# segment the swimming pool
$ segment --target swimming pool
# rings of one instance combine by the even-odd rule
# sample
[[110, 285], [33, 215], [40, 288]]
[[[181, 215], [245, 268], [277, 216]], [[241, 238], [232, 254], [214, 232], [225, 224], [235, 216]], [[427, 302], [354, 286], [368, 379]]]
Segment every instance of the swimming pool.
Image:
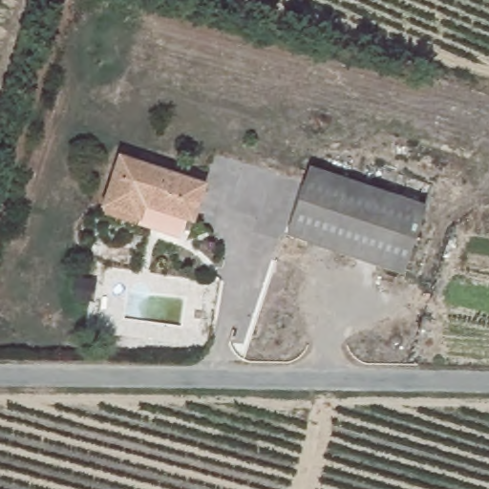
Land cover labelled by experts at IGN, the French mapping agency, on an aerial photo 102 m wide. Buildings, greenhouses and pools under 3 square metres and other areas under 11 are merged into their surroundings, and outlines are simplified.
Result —
[[180, 325], [180, 300], [151, 296], [145, 300], [145, 309], [141, 311], [145, 315], [145, 321]]

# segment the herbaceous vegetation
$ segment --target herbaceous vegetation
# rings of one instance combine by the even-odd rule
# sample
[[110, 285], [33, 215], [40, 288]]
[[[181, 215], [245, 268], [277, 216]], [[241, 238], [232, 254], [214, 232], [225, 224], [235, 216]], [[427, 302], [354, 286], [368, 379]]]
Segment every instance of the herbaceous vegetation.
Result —
[[478, 313], [489, 315], [489, 287], [464, 287], [449, 281], [443, 294], [447, 306], [472, 308]]
[[309, 55], [288, 52], [279, 46], [256, 48], [244, 42], [237, 34], [229, 34], [210, 27], [193, 27], [191, 21], [178, 21], [160, 17], [155, 13], [145, 13], [141, 17], [141, 29], [134, 36], [130, 63], [124, 67], [122, 76], [115, 84], [96, 86], [92, 80], [86, 78], [78, 82], [74, 74], [73, 59], [63, 55], [61, 67], [65, 71], [65, 80], [55, 96], [52, 109], [46, 113], [44, 138], [34, 149], [29, 164], [32, 176], [25, 187], [25, 197], [31, 201], [31, 212], [25, 223], [25, 233], [10, 241], [4, 248], [4, 262], [0, 266], [0, 344], [63, 346], [73, 336], [71, 329], [74, 319], [61, 313], [61, 304], [57, 296], [61, 279], [59, 271], [63, 252], [74, 244], [74, 220], [84, 222], [84, 216], [90, 208], [101, 208], [120, 155], [145, 160], [162, 168], [174, 170], [183, 176], [202, 180], [206, 180], [210, 164], [220, 155], [243, 160], [248, 164], [258, 164], [260, 168], [279, 170], [287, 176], [302, 178], [309, 162], [311, 157], [319, 157], [346, 170], [355, 170], [365, 176], [376, 176], [405, 187], [413, 187], [426, 193], [426, 202], [424, 223], [418, 223], [418, 231], [422, 233], [422, 237], [416, 237], [415, 246], [409, 252], [409, 256], [397, 256], [390, 271], [386, 271], [382, 266], [374, 269], [372, 275], [380, 275], [382, 281], [390, 283], [393, 288], [418, 285], [422, 292], [428, 294], [436, 294], [437, 277], [443, 269], [445, 250], [455, 231], [474, 231], [474, 239], [489, 241], [489, 76], [479, 74], [478, 84], [474, 88], [470, 88], [466, 80], [458, 80], [457, 76], [437, 78], [434, 84], [422, 84], [418, 88], [411, 88], [401, 78], [384, 76], [371, 69], [348, 69], [344, 63], [338, 61], [315, 63]]
[[181, 395], [244, 397], [308, 401], [315, 401], [321, 395], [338, 399], [458, 399], [489, 399], [489, 392], [0, 386], [0, 393]]
[[138, 235], [130, 243], [117, 248], [96, 243], [92, 250], [94, 254], [107, 260], [130, 260], [132, 250], [139, 243]]
[[311, 353], [311, 334], [306, 329], [306, 319], [298, 304], [300, 287], [304, 285], [306, 277], [300, 269], [300, 262], [292, 260], [279, 264], [271, 277], [264, 306], [254, 327], [250, 346], [246, 350], [246, 359], [250, 361], [283, 361], [281, 355], [288, 353], [287, 361], [290, 363]]
[[59, 29], [65, 29], [69, 19], [73, 19], [73, 0], [63, 0]]
[[355, 367], [372, 365], [386, 369], [418, 369], [424, 359], [415, 355], [420, 338], [420, 327], [416, 325], [416, 319], [397, 319], [395, 323], [392, 319], [380, 319], [374, 325], [374, 329], [351, 334], [342, 344], [342, 353], [346, 361], [350, 361]]

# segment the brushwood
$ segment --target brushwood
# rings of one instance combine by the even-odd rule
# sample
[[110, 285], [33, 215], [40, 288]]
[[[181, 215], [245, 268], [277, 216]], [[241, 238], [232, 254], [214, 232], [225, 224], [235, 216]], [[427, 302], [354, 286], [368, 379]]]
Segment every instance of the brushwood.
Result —
[[206, 355], [202, 346], [122, 348], [115, 353], [115, 359], [111, 363], [195, 365]]
[[138, 223], [120, 222], [117, 218], [107, 216], [101, 208], [90, 208], [84, 216], [84, 222], [74, 220], [74, 244], [88, 246], [92, 250], [96, 243], [117, 248], [130, 243], [138, 235], [139, 243], [132, 250], [130, 260], [107, 260], [94, 254], [96, 264], [103, 264], [107, 269], [120, 267], [130, 271], [141, 271], [145, 246], [149, 241], [149, 229], [141, 227]]
[[76, 363], [80, 357], [76, 355], [76, 350], [71, 346], [63, 346], [0, 344], [0, 363]]
[[214, 262], [222, 262], [225, 244], [222, 239], [216, 237], [212, 223], [206, 222], [204, 216], [199, 214], [189, 229], [189, 239], [195, 248], [208, 254]]
[[180, 275], [201, 285], [208, 285], [216, 279], [216, 269], [204, 266], [199, 260], [191, 258], [185, 248], [178, 244], [159, 241], [153, 248], [151, 273]]
[[92, 302], [96, 292], [94, 273], [84, 275], [74, 285], [76, 298], [88, 304]]

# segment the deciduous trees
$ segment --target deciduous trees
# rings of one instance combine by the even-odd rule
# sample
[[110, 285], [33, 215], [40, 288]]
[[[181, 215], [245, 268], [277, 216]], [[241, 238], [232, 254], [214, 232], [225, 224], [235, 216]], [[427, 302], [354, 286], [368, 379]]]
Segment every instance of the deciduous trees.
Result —
[[466, 243], [470, 252], [489, 256], [489, 241], [474, 239]]
[[376, 176], [365, 176], [355, 170], [346, 170], [319, 157], [311, 157], [309, 162], [311, 166], [330, 172], [334, 176], [372, 185], [413, 201], [426, 202], [426, 193], [413, 187], [405, 187]]
[[0, 266], [4, 262], [4, 248], [10, 241], [25, 233], [25, 223], [31, 212], [31, 201], [25, 197], [25, 187], [32, 176], [29, 164], [34, 149], [44, 138], [46, 113], [52, 109], [55, 96], [65, 80], [65, 71], [61, 67], [63, 55], [73, 59], [74, 74], [78, 82], [86, 78], [92, 80], [96, 86], [115, 84], [122, 76], [124, 67], [130, 63], [134, 36], [141, 29], [141, 17], [145, 13], [155, 13], [160, 17], [178, 21], [191, 21], [193, 27], [210, 27], [229, 34], [237, 34], [244, 42], [256, 48], [279, 46], [288, 52], [309, 55], [315, 63], [338, 61], [344, 63], [348, 69], [371, 69], [384, 76], [401, 78], [411, 88], [418, 88], [422, 84], [434, 84], [437, 78], [457, 76], [458, 80], [466, 80], [470, 88], [474, 88], [478, 84], [479, 74], [462, 67], [445, 65], [441, 67], [441, 71], [437, 71], [437, 67], [430, 65], [422, 57], [416, 57], [413, 61], [393, 61], [390, 57], [376, 57], [361, 52], [355, 46], [342, 48], [330, 42], [317, 42], [308, 36], [294, 34], [290, 32], [292, 25], [287, 19], [290, 10], [285, 8], [281, 0], [73, 0], [73, 19], [69, 19], [65, 29], [59, 29], [63, 0], [23, 0], [25, 11], [19, 19], [19, 32], [10, 55], [10, 65], [2, 76], [0, 88]]
[[61, 304], [61, 313], [74, 319], [71, 329], [73, 336], [63, 346], [71, 346], [76, 350], [76, 355], [80, 357], [76, 363], [111, 363], [115, 359], [115, 353], [122, 348], [118, 346], [115, 329], [109, 334], [101, 334], [86, 329], [88, 304], [76, 298], [74, 285], [84, 275], [94, 273], [96, 264], [94, 254], [92, 250], [88, 246], [74, 244], [63, 252], [59, 271], [61, 279], [57, 296]]

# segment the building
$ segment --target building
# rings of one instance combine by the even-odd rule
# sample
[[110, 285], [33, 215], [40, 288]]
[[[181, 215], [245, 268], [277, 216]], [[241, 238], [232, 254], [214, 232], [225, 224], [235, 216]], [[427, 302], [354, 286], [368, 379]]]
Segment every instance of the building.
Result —
[[180, 218], [187, 223], [189, 229], [199, 214], [202, 202], [206, 202], [206, 197], [212, 197], [212, 191], [206, 191], [206, 185], [202, 180], [183, 176], [174, 170], [162, 168], [145, 160], [120, 155], [101, 208], [107, 216], [117, 218], [120, 222], [138, 223], [143, 220], [145, 210], [153, 208], [162, 214]]
[[357, 260], [363, 260], [367, 264], [372, 264], [374, 269], [382, 266], [386, 271], [390, 271], [397, 256], [409, 256], [409, 252], [415, 246], [416, 237], [422, 237], [422, 233], [418, 231], [418, 223], [424, 223], [426, 202], [413, 201], [372, 185], [334, 176], [330, 172], [311, 166], [309, 162], [302, 178], [288, 214], [288, 235], [304, 239], [311, 246], [329, 248], [334, 256], [334, 262], [340, 266], [355, 267]]

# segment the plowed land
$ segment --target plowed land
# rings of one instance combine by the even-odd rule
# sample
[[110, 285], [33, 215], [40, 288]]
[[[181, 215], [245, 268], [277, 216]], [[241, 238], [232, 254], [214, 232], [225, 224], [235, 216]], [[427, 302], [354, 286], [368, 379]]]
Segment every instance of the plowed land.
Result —
[[44, 411], [50, 403], [63, 403], [96, 413], [99, 403], [109, 403], [136, 413], [139, 403], [155, 403], [180, 409], [185, 405], [181, 395], [0, 393], [0, 405], [13, 401], [25, 407]]
[[460, 407], [470, 407], [489, 413], [489, 399], [458, 399]]
[[489, 55], [481, 53], [478, 63], [472, 63], [455, 53], [434, 48], [436, 59], [445, 65], [462, 67], [479, 74], [489, 76]]

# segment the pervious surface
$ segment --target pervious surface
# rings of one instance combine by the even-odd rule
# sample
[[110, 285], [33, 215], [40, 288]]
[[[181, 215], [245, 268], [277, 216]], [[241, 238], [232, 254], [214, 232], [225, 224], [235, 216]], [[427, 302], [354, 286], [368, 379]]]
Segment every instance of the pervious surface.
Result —
[[325, 453], [332, 436], [330, 420], [336, 413], [336, 407], [382, 405], [393, 411], [401, 411], [405, 405], [432, 409], [460, 407], [458, 399], [338, 399], [321, 395], [315, 401], [308, 401], [244, 397], [244, 405], [262, 407], [283, 415], [288, 415], [292, 409], [309, 409], [306, 439], [302, 441], [302, 453], [296, 464], [294, 479], [290, 481], [290, 489], [317, 489], [327, 460]]
[[23, 0], [0, 0], [0, 88], [2, 76], [10, 65], [10, 55], [19, 32], [19, 19], [25, 11]]

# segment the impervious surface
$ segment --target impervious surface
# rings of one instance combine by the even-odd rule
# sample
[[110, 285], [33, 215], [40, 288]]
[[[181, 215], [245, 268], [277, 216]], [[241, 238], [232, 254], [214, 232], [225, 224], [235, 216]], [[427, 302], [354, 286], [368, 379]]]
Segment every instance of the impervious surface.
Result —
[[[351, 334], [374, 329], [374, 325], [380, 319], [392, 319], [395, 323], [397, 319], [416, 319], [428, 294], [422, 292], [418, 285], [393, 288], [390, 283], [382, 281], [380, 275], [372, 275], [374, 269], [372, 264], [367, 264], [363, 260], [357, 260], [355, 267], [340, 266], [334, 262], [334, 256], [329, 248], [311, 246], [304, 239], [288, 235], [288, 214], [302, 178], [287, 176], [279, 170], [260, 168], [258, 164], [248, 164], [243, 160], [220, 155], [210, 164], [206, 180], [202, 180], [206, 185], [206, 191], [212, 191], [212, 197], [206, 197], [206, 202], [202, 202], [199, 214], [204, 216], [206, 222], [212, 223], [216, 237], [222, 239], [225, 244], [222, 262], [214, 262], [208, 254], [195, 248], [189, 239], [189, 229], [187, 223], [180, 218], [162, 214], [153, 208], [145, 210], [143, 220], [138, 223], [141, 227], [149, 229], [149, 241], [145, 246], [141, 271], [130, 271], [120, 267], [107, 269], [103, 264], [96, 264], [94, 273], [96, 292], [92, 302], [88, 304], [86, 329], [101, 334], [109, 334], [115, 329], [118, 346], [122, 348], [202, 346], [206, 355], [195, 365], [111, 363], [76, 363], [0, 363], [0, 386], [489, 392], [489, 371], [418, 369], [386, 369], [372, 365], [355, 367], [350, 361], [346, 361], [342, 353], [342, 344]], [[180, 275], [151, 273], [153, 248], [159, 241], [178, 244], [185, 248], [191, 258], [199, 260], [204, 266], [216, 269], [216, 279], [208, 285], [201, 285]], [[311, 334], [311, 353], [290, 363], [287, 361], [288, 353], [281, 355], [283, 361], [250, 361], [246, 359], [246, 350], [250, 346], [254, 327], [264, 306], [271, 277], [279, 264], [292, 260], [300, 262], [300, 269], [306, 277], [304, 285], [300, 287], [298, 304], [306, 319], [306, 329]], [[180, 325], [145, 321], [145, 315], [141, 311], [145, 309], [145, 300], [151, 296], [180, 300]]]

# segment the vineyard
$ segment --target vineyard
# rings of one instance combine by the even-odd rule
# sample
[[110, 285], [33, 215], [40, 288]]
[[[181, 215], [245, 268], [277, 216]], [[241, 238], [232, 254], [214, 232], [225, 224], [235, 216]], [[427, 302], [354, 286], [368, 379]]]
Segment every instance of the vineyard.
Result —
[[432, 409], [405, 405], [401, 411], [393, 411], [382, 405], [336, 407], [336, 413], [330, 420], [332, 436], [325, 453], [327, 460], [317, 489], [489, 489], [489, 413], [470, 407], [460, 407]]
[[474, 231], [455, 231], [445, 250], [443, 269], [437, 277], [436, 294], [428, 294], [416, 319], [416, 325], [420, 327], [420, 338], [415, 355], [424, 359], [418, 369], [489, 371], [489, 315], [478, 313], [472, 308], [447, 306], [443, 294], [449, 281], [464, 287], [489, 287], [489, 256], [470, 252], [466, 243], [474, 239]]
[[308, 36], [317, 42], [330, 42], [342, 48], [355, 46], [361, 52], [376, 57], [390, 57], [393, 61], [413, 61], [416, 57], [422, 57], [430, 65], [437, 67], [437, 71], [441, 71], [441, 67], [445, 65], [436, 59], [434, 48], [455, 53], [472, 63], [478, 63], [481, 53], [489, 55], [489, 0], [281, 0], [285, 8], [290, 10], [287, 19], [292, 25], [290, 32], [294, 34]]
[[292, 409], [288, 415], [283, 415], [262, 407], [244, 405], [244, 397], [181, 395], [185, 405], [180, 409], [155, 403], [139, 403], [136, 413], [109, 403], [99, 403], [96, 413], [63, 403], [50, 403], [44, 411], [25, 407], [13, 401], [0, 405], [0, 489], [290, 489], [290, 481], [294, 479], [296, 464], [302, 453], [302, 441], [306, 439], [309, 409]]

